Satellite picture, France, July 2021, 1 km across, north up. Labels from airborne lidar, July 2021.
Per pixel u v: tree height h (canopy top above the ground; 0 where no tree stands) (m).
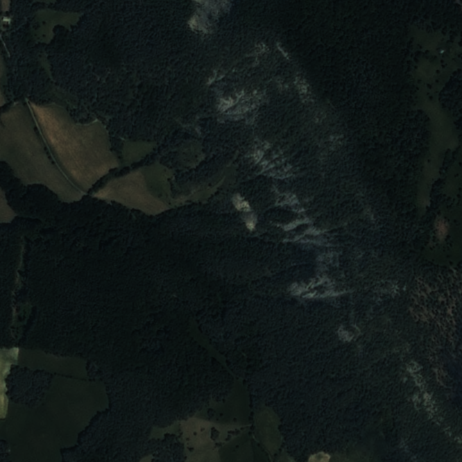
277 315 13
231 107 0
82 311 24
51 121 0
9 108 11
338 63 24
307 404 18
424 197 0
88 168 0
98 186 12
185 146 0
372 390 8
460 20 26
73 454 20
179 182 12
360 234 6
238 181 10
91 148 0
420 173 8
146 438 16
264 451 7
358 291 7
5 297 23
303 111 8
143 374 24
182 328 24
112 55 11
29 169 0
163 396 16
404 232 14
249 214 0
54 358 0
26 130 0
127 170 16
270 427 0
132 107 12
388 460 9
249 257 16
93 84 12
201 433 0
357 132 18
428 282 10
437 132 0
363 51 21
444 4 27
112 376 17
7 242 20
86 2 13
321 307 9
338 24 24
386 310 6
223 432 0
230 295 16
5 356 0
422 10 26
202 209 11
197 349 24
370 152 23
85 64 9
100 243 11
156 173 0
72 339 24
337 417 16
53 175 0
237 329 19
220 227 10
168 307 27
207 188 0
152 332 31
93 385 0
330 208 11
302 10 24
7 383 11
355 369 9
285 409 17
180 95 11
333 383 17
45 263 27
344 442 17
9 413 0
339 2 27
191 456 0
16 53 8
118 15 16
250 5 13
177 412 17
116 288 33
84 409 0
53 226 10
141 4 18
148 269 23
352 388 15
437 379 9
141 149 0
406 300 8
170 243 23
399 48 21
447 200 15
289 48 10
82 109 9
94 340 27
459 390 10
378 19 24
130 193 0
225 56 8
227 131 12
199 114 7
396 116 18
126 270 29
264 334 16
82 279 22
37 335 24
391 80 16
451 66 0
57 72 16
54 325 27
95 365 10
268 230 7
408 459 7
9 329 31
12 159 0
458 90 30
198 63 9
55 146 0
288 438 15
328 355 10
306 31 19
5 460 15
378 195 13
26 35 18
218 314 13
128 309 32
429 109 0
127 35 21
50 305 27
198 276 27
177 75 12
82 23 17
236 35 8
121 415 19
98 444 20
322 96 9
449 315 9
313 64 17
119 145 14
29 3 12
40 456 0
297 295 0
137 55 19
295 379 18
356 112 13
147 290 26
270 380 20
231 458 0
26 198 30
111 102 7
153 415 15
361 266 6
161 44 18
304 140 9
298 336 15
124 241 22
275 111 6
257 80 7
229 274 16
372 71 30
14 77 14
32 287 25
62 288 23
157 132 7
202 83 8
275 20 12
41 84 11
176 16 8
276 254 16
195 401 17
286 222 7
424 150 20
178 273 23
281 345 14
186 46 6
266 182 10
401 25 20
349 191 5
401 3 20
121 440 20
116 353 27
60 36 13
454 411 8
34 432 0
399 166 19
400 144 15
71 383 0
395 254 7
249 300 14
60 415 0
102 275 28
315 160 6
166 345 30
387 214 13
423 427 8
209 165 14
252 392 15
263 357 19
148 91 13
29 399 14
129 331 32
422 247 17
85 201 20
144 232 15
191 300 20
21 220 23
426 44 0
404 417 7
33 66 10
